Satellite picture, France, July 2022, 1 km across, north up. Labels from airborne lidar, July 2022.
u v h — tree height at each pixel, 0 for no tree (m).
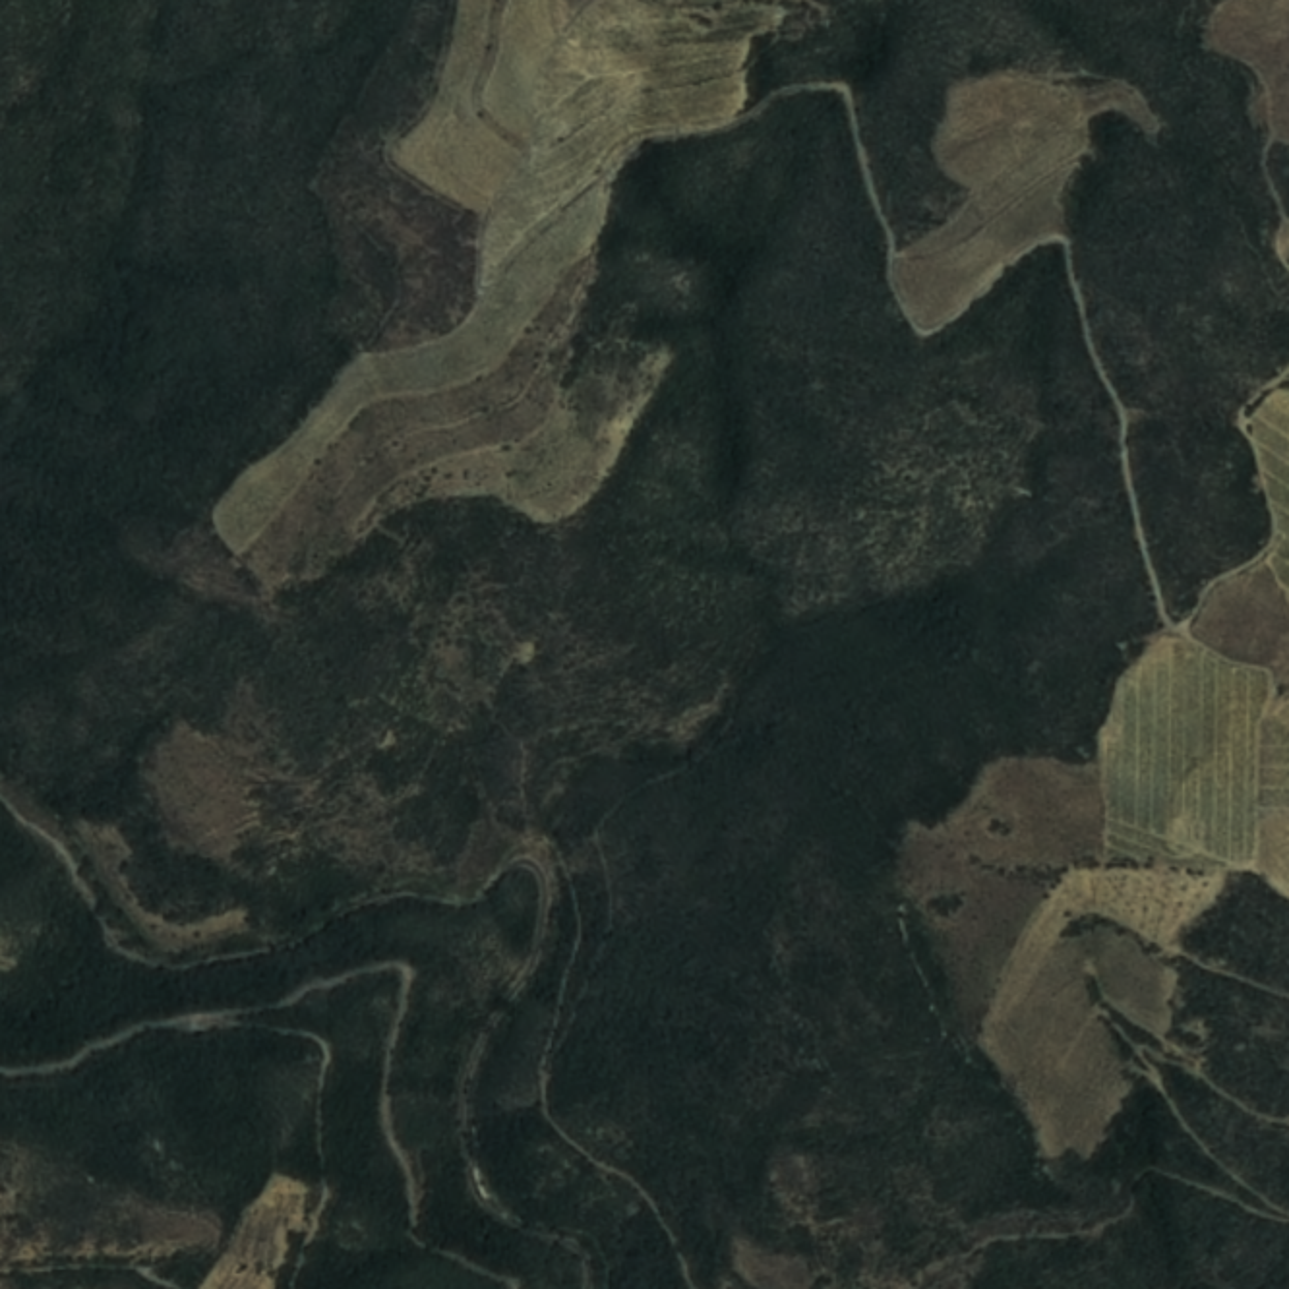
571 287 0
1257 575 0
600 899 5
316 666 5
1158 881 0
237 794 0
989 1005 0
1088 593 0
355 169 0
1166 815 0
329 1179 6
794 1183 0
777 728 6
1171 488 0
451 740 7
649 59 0
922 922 0
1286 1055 0
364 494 0
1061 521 0
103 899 11
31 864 6
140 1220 0
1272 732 0
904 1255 7
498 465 0
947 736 0
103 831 0
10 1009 8
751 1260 0
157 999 7
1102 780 0
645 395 0
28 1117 6
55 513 6
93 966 9
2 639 7
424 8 0
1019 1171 6
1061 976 0
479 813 7
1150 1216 7
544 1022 0
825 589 7
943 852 0
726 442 10
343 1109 6
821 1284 7
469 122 0
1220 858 0
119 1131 6
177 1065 6
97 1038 7
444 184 0
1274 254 0
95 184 6
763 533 7
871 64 9
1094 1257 7
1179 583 0
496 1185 7
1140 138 7
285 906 6
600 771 0
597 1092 6
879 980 0
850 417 7
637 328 6
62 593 6
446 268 0
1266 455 0
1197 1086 5
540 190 0
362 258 0
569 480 0
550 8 0
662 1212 6
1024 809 0
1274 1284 6
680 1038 7
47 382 6
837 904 0
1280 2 0
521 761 0
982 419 6
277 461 0
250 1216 0
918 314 0
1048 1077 0
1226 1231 6
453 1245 12
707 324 7
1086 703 0
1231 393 0
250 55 7
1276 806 0
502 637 0
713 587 5
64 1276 6
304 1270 7
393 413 0
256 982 7
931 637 6
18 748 6
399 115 0
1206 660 0
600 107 0
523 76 0
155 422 5
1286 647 0
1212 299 0
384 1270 9
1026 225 0
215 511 0
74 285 6
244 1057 5
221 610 6
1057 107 0
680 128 0
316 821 6
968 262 0
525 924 6
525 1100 0
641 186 7
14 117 8
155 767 0
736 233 6
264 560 0
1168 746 0
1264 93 0
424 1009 7
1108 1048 0
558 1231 6
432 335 0
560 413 0
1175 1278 6
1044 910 0
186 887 6
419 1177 7
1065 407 7
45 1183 0
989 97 0
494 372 0
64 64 6
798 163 7
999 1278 6
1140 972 0
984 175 0
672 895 6
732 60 0
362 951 6
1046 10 6
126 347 8
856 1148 6
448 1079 6
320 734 6
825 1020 0
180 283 6
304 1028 6
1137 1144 6
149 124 6
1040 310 6
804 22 0
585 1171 6
